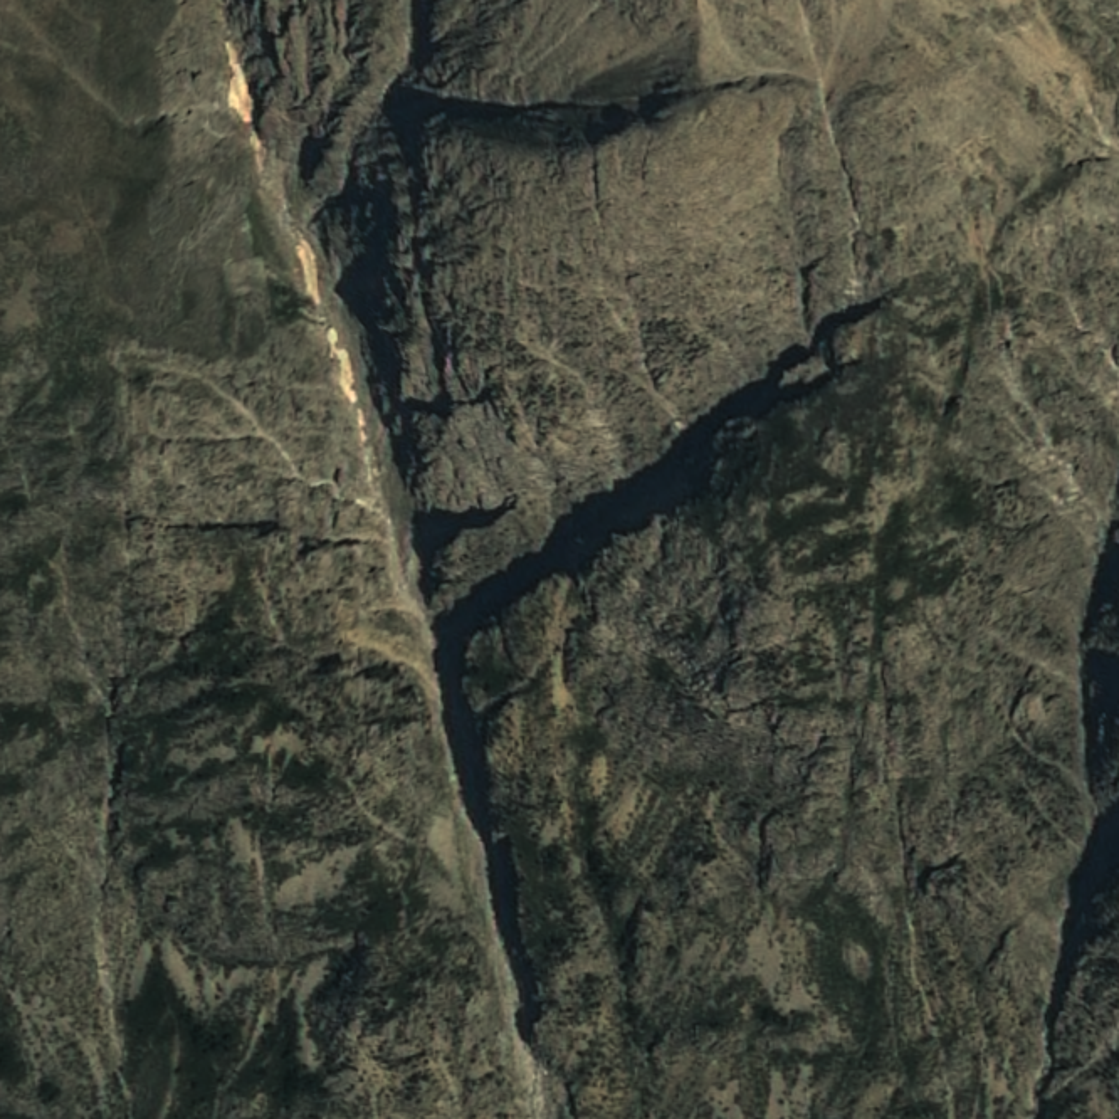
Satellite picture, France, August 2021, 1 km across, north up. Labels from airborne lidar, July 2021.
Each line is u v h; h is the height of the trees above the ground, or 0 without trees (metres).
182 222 0
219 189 0
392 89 0
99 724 0
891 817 0
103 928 0
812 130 0
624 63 0
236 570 0
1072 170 0
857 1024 0
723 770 0
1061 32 0
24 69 0
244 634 0
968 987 0
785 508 0
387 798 0
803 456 0
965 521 0
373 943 0
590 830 0
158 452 0
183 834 7
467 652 0
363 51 0
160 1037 0
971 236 0
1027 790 9
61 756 0
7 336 0
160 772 0
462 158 0
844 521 0
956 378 0
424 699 0
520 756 0
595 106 0
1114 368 0
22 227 0
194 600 0
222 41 0
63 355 0
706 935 0
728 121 0
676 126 0
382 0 0
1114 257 0
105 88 0
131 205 0
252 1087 0
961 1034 0
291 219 0
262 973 0
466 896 0
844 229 0
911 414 0
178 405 0
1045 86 0
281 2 0
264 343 0
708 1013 0
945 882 7
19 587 0
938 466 0
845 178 0
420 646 0
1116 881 6
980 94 0
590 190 0
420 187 0
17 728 0
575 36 0
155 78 0
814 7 0
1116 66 0
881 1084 0
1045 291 0
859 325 0
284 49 0
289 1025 8
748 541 0
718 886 0
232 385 0
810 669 0
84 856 0
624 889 0
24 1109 0
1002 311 0
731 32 0
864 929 0
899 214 0
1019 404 0
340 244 0
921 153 0
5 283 0
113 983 0
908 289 0
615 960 0
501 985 0
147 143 0
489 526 0
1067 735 6
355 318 0
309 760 0
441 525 0
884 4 0
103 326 0
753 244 0
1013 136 0
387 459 0
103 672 0
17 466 0
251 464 0
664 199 0
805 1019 0
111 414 0
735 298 0
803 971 0
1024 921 0
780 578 0
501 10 0
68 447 0
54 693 0
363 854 0
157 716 0
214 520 0
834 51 0
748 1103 0
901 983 0
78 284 0
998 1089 0
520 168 0
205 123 0
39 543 0
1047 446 0
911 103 0
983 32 0
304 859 0
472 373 6
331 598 0
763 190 0
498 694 0
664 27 0
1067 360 0
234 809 0
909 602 0
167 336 0
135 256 0
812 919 0
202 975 7
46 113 0
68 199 0
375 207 0
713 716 6
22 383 0
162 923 6
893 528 0
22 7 0
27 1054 0
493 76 0
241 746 0
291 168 0
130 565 0
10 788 0
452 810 0
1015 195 0
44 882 0
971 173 0
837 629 0
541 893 0
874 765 0
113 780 0
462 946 0
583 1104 0
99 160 0
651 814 0
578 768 0
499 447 0
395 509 0
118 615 0
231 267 0
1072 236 0
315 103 0
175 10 0
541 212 0
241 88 0
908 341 0
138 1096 0
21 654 0
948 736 0
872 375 0
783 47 0
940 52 0
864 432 0
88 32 0
